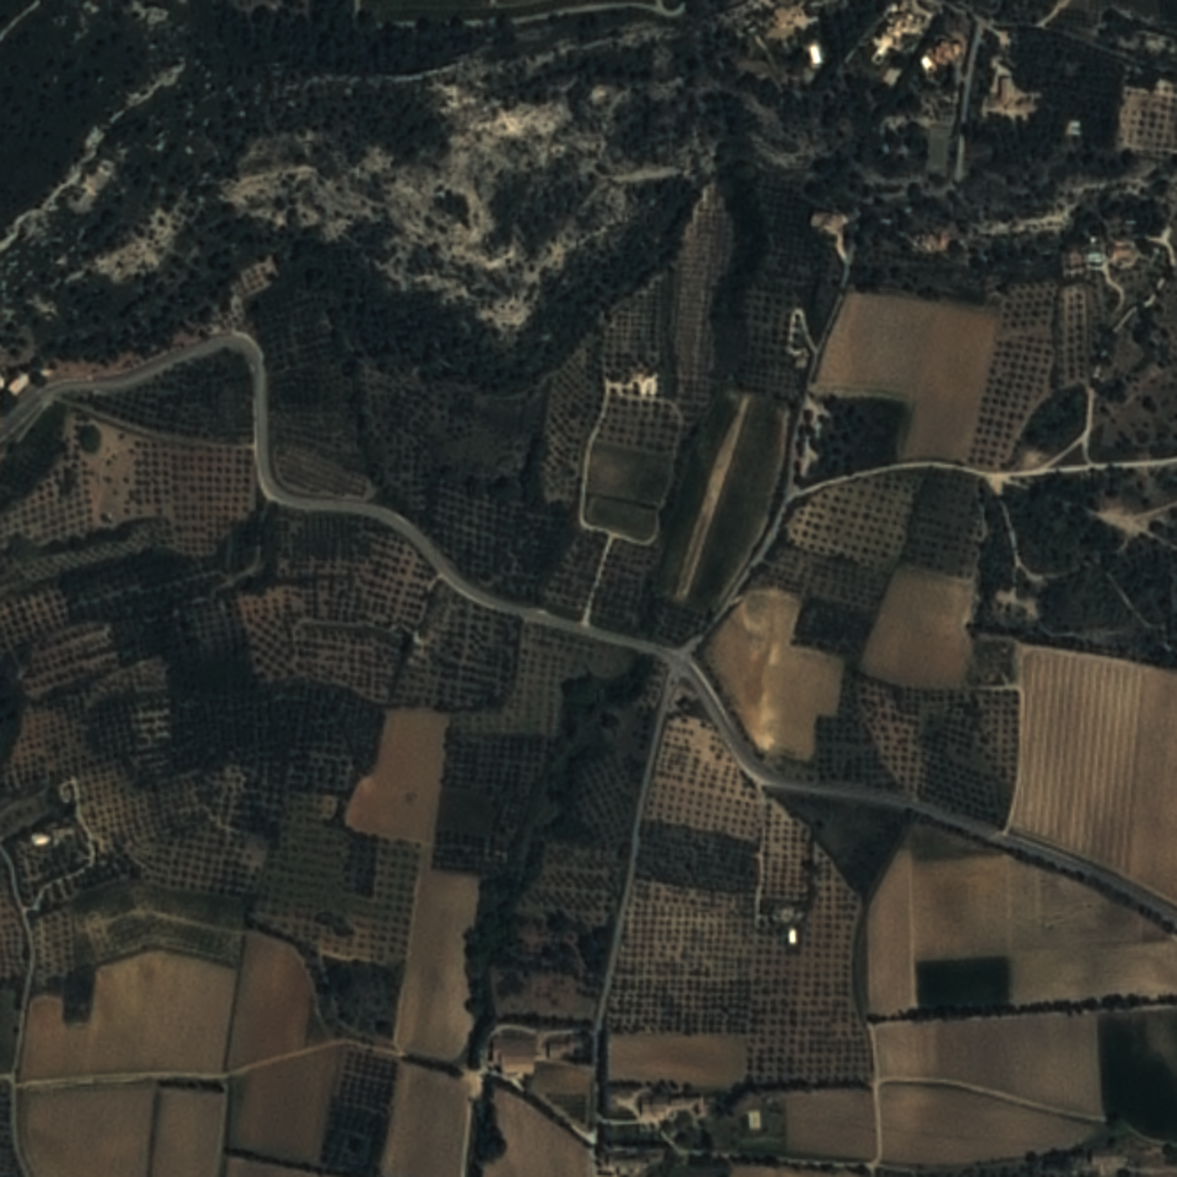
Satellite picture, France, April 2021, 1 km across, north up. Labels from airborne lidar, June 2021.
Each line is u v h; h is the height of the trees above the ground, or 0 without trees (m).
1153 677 0
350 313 12
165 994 0
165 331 7
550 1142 0
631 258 13
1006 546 7
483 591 0
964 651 0
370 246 7
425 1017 0
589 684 15
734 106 13
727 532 0
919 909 0
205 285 11
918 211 12
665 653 0
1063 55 11
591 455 0
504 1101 0
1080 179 0
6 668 8
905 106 10
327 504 0
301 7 11
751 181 7
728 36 8
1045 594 6
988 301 0
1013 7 7
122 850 6
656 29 0
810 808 0
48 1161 0
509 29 6
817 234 6
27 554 16
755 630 0
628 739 0
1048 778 0
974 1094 0
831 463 8
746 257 7
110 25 0
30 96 8
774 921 7
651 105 10
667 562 0
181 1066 0
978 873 0
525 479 10
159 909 0
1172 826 0
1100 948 0
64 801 7
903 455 0
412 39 10
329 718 6
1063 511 9
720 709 0
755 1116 0
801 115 7
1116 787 0
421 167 0
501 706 7
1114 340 12
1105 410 7
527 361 7
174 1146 0
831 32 17
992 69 8
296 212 11
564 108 0
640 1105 0
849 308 0
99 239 13
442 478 9
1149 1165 0
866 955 0
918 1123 0
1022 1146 0
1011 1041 0
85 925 0
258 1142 0
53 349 10
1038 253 10
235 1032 0
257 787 6
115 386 0
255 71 7
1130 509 0
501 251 0
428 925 0
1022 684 0
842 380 0
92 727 7
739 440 0
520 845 10
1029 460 0
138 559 7
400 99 7
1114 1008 14
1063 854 0
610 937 8
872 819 0
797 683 0
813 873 11
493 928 13
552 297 7
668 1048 0
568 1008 0
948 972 0
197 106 5
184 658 5
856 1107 0
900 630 0
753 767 0
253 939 0
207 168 12
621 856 6
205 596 5
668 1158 7
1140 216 11
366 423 9
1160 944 0
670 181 9
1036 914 0
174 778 7
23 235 10
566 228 0
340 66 7
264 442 0
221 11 8
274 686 7
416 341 12
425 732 0
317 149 8
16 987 7
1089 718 0
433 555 0
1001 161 6
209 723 6
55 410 0
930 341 0
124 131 11
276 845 6
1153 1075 0
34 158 9
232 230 12
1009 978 0
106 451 0
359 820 0
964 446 0
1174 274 7
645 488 0
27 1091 0
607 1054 9
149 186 13
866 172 0
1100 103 9
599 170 9
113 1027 0
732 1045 0
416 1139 0
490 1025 15
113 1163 0
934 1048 0
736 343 6
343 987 6
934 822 10
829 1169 10
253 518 5
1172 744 0
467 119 0
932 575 0
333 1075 0
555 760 16
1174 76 11
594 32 9
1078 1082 0
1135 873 0
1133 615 6
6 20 9
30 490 8
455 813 0
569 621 0
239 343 0
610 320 10
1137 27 6
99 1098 0
